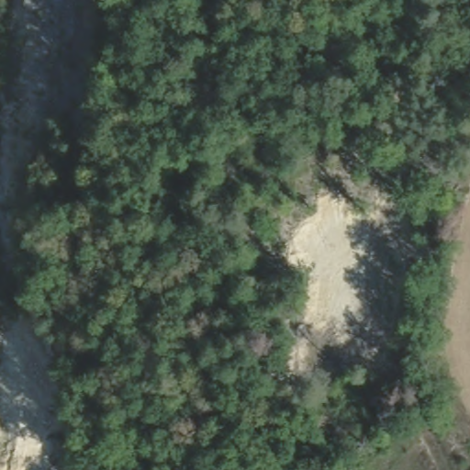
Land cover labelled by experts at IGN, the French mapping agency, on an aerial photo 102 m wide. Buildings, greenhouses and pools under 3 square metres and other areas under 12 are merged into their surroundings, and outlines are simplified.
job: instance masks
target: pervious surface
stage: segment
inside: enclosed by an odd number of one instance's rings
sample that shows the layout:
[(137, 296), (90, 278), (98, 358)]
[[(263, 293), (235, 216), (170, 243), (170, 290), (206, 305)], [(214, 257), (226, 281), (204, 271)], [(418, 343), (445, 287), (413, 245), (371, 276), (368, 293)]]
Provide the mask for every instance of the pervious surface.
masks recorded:
[(48, 455), (42, 452), (42, 444), (57, 431), (55, 424), (44, 419), (44, 402), (48, 400), (42, 397), (40, 389), (48, 347), (40, 341), (29, 341), (28, 330), (17, 321), (11, 325), (11, 330), (4, 334), (7, 345), (4, 345), (4, 362), (0, 364), (0, 470), (59, 470), (50, 463)]

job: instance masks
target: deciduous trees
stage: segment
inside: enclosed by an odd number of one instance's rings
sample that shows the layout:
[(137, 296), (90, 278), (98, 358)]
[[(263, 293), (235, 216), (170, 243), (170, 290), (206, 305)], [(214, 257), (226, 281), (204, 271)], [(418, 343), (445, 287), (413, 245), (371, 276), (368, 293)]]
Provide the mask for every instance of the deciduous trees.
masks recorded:
[[(450, 274), (452, 255), (453, 252), (464, 248), (463, 244), (457, 242), (457, 222), (461, 217), (457, 211), (461, 204), (466, 204), (470, 200), (470, 180), (466, 184), (457, 185), (457, 195), (446, 195), (446, 185), (442, 182), (441, 174), (433, 176), (428, 173), (428, 169), (419, 171), (415, 163), (404, 162), (404, 147), (398, 143), (404, 136), (408, 136), (409, 127), (406, 127), (406, 121), (411, 121), (411, 90), (419, 86), (419, 72), (411, 68), (415, 61), (419, 61), (424, 51), (424, 42), (433, 39), (430, 28), (420, 28), (422, 20), (430, 15), (430, 6), (422, 0), (88, 0), (86, 7), (94, 13), (90, 17), (92, 29), (79, 39), (79, 50), (83, 51), (79, 55), (79, 62), (86, 68), (86, 73), (83, 81), (79, 81), (75, 86), (75, 136), (81, 140), (81, 145), (84, 145), (79, 160), (79, 171), (75, 178), (77, 185), (81, 185), (81, 191), (77, 196), (83, 198), (84, 204), (64, 204), (59, 207), (57, 213), (44, 215), (42, 224), (35, 226), (33, 231), (24, 235), (22, 241), (17, 242), (17, 253), (29, 264), (29, 274), (33, 275), (28, 281), (28, 294), (17, 297), (17, 321), (28, 330), (29, 341), (40, 341), (48, 347), (40, 389), (42, 397), (48, 400), (44, 402), (44, 419), (55, 424), (57, 431), (66, 446), (68, 470), (378, 470), (376, 466), (387, 459), (391, 452), (408, 452), (406, 442), (413, 431), (435, 430), (439, 435), (450, 433), (453, 430), (455, 408), (461, 402), (459, 386), (450, 376), (450, 365), (444, 356), (444, 343), (450, 341), (452, 332), (446, 329), (444, 318), (448, 299), (455, 288), (455, 279)], [(279, 226), (286, 217), (292, 215), (292, 207), (296, 206), (296, 202), (290, 202), (275, 207), (270, 217), (263, 217), (257, 222), (257, 233), (248, 237), (252, 246), (248, 246), (246, 250), (237, 250), (235, 235), (229, 229), (213, 229), (211, 224), (202, 222), (193, 215), (191, 198), (195, 195), (196, 180), (215, 187), (211, 195), (204, 198), (204, 204), (217, 206), (218, 213), (226, 217), (233, 213), (237, 196), (242, 195), (242, 185), (252, 185), (253, 195), (261, 195), (263, 185), (275, 184), (286, 196), (294, 189), (281, 178), (281, 173), (283, 169), (292, 169), (294, 154), (299, 147), (305, 145), (308, 151), (316, 156), (318, 162), (325, 162), (329, 156), (338, 156), (343, 169), (351, 174), (352, 182), (371, 178), (371, 184), (375, 185), (380, 193), (386, 193), (387, 200), (393, 202), (400, 204), (398, 217), (402, 218), (402, 226), (406, 229), (408, 241), (413, 246), (413, 259), (406, 268), (402, 283), (408, 286), (408, 299), (417, 308), (417, 319), (408, 319), (404, 325), (398, 327), (400, 334), (411, 334), (408, 356), (402, 360), (406, 367), (406, 376), (398, 378), (386, 411), (378, 413), (378, 430), (382, 433), (376, 439), (367, 441), (362, 433), (362, 426), (356, 419), (356, 408), (345, 406), (347, 397), (343, 387), (347, 384), (364, 384), (365, 369), (356, 369), (352, 375), (330, 380), (329, 373), (319, 367), (318, 362), (310, 367), (307, 365), (307, 369), (301, 375), (294, 375), (288, 367), (285, 371), (268, 369), (270, 356), (259, 356), (253, 352), (253, 343), (259, 338), (274, 338), (275, 334), (283, 332), (283, 323), (279, 319), (268, 318), (264, 310), (274, 308), (285, 299), (283, 290), (279, 288), (279, 281), (296, 279), (299, 270), (296, 266), (286, 261), (286, 244), (281, 239)], [(141, 299), (140, 285), (143, 279), (136, 275), (140, 274), (143, 264), (151, 263), (151, 268), (158, 270), (163, 255), (171, 252), (176, 253), (176, 257), (182, 257), (185, 252), (195, 252), (200, 263), (198, 268), (185, 274), (182, 279), (176, 277), (173, 285), (163, 286), (162, 290), (152, 292), (147, 299)], [(207, 327), (200, 332), (200, 336), (187, 336), (185, 325), (189, 325), (198, 314), (206, 314)], [(185, 371), (193, 367), (196, 373), (195, 384), (191, 389), (184, 389), (174, 397), (163, 395), (162, 378), (158, 375), (160, 364), (171, 367), (174, 380), (182, 378)], [(191, 444), (174, 441), (173, 424), (178, 422), (193, 422)]]
[(466, 112), (470, 108), (470, 62), (463, 70), (450, 68), (444, 86), (435, 88), (435, 97), (446, 110)]

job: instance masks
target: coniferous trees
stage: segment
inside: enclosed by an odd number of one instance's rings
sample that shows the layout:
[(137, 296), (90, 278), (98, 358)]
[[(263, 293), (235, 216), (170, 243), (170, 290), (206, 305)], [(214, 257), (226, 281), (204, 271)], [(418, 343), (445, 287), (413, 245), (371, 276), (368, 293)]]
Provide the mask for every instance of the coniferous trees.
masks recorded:
[(242, 195), (237, 196), (233, 213), (226, 217), (218, 213), (217, 206), (204, 204), (204, 198), (211, 195), (215, 187), (196, 180), (195, 195), (191, 198), (193, 215), (202, 222), (211, 224), (213, 229), (229, 229), (235, 235), (237, 250), (246, 250), (248, 246), (252, 246), (248, 237), (257, 233), (257, 222), (263, 217), (270, 217), (275, 207), (290, 202), (286, 196), (275, 184), (263, 185), (261, 195), (253, 195), (252, 185), (242, 185)]
[(143, 279), (140, 285), (141, 299), (147, 299), (152, 292), (162, 290), (163, 286), (173, 285), (176, 277), (182, 279), (185, 274), (198, 268), (200, 263), (195, 252), (185, 252), (182, 257), (176, 257), (176, 253), (171, 252), (163, 255), (158, 270), (151, 268), (151, 263), (143, 264), (140, 274), (136, 275)]
[(419, 61), (415, 61), (411, 68), (419, 72), (419, 86), (411, 90), (411, 121), (406, 121), (406, 127), (409, 127), (408, 136), (404, 136), (398, 143), (404, 147), (404, 162), (415, 163), (419, 171), (428, 169), (428, 173), (433, 176), (441, 174), (442, 182), (446, 185), (446, 195), (457, 195), (457, 185), (466, 184), (470, 180), (470, 108), (466, 112), (446, 110), (435, 97), (435, 88), (444, 86), (450, 68), (463, 70), (470, 62), (470, 0), (422, 0), (430, 6), (430, 15), (422, 20), (420, 28), (430, 28), (433, 39), (424, 42), (424, 51)]
[(193, 422), (178, 422), (173, 424), (174, 441), (191, 444)]
[(182, 378), (174, 380), (171, 367), (160, 364), (158, 375), (162, 378), (163, 395), (174, 397), (184, 389), (191, 389), (195, 384), (196, 373), (193, 367), (185, 371)]
[(206, 314), (198, 314), (189, 325), (185, 325), (187, 336), (200, 336), (200, 332), (207, 327)]

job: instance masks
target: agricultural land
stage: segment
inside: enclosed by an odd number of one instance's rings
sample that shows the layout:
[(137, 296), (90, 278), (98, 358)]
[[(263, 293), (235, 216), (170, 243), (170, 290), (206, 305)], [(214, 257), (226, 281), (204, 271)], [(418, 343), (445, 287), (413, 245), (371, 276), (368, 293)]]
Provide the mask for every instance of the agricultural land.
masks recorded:
[(450, 274), (455, 279), (455, 288), (448, 299), (444, 318), (446, 329), (452, 332), (450, 341), (444, 343), (444, 356), (450, 365), (450, 376), (459, 386), (461, 402), (470, 397), (470, 200), (466, 204), (461, 204), (457, 211), (461, 217), (457, 222), (457, 242), (463, 244), (464, 248), (453, 252), (452, 255)]

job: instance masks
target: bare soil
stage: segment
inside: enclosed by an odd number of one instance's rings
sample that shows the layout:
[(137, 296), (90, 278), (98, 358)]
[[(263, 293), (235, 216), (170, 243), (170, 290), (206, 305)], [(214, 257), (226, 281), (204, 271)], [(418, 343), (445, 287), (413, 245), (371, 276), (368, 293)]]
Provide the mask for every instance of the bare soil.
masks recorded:
[(319, 367), (329, 373), (330, 380), (352, 375), (356, 369), (365, 369), (384, 367), (391, 360), (395, 360), (386, 349), (386, 338), (391, 321), (398, 314), (398, 290), (402, 283), (406, 268), (413, 259), (413, 246), (408, 241), (406, 229), (402, 226), (402, 218), (398, 217), (400, 204), (393, 202), (393, 207), (384, 211), (386, 220), (375, 224), (373, 220), (360, 220), (360, 215), (352, 213), (352, 207), (343, 198), (334, 198), (330, 193), (327, 196), (318, 196), (316, 213), (299, 224), (294, 239), (286, 244), (286, 261), (296, 266), (316, 264), (316, 268), (308, 275), (305, 321), (316, 330), (325, 330), (327, 327), (334, 329), (336, 341), (340, 343), (325, 345), (318, 354), (318, 362)]

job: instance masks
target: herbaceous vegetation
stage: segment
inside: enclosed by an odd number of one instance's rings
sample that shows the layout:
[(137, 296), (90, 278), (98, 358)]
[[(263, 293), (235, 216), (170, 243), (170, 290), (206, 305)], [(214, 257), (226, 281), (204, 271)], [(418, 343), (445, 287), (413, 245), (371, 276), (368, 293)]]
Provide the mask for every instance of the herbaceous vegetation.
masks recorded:
[(279, 226), (281, 239), (286, 244), (294, 239), (299, 224), (316, 213), (318, 196), (327, 196), (330, 193), (334, 198), (343, 198), (352, 207), (352, 213), (360, 215), (360, 220), (373, 220), (375, 224), (386, 220), (384, 211), (393, 207), (393, 202), (387, 200), (386, 193), (380, 193), (375, 185), (371, 184), (371, 178), (352, 182), (351, 174), (343, 169), (338, 156), (329, 156), (325, 162), (318, 162), (316, 156), (308, 151), (305, 145), (299, 147), (294, 154), (292, 169), (283, 169), (281, 173), (281, 178), (294, 189), (286, 196), (290, 202), (296, 202), (296, 206), (292, 207), (292, 215), (286, 217)]
[(308, 275), (316, 268), (316, 264), (296, 266), (299, 270), (296, 279), (279, 281), (279, 288), (283, 290), (285, 299), (274, 308), (264, 310), (268, 318), (279, 319), (283, 323), (283, 332), (275, 334), (274, 338), (259, 338), (253, 343), (253, 352), (259, 356), (270, 356), (268, 369), (285, 371), (288, 367), (294, 375), (301, 375), (307, 369), (307, 365), (310, 367), (318, 362), (318, 354), (325, 345), (340, 343), (336, 341), (334, 329), (327, 327), (325, 330), (316, 330), (305, 321)]
[(84, 145), (81, 145), (81, 140), (75, 136), (75, 86), (79, 81), (83, 81), (86, 73), (86, 68), (79, 62), (79, 55), (83, 51), (79, 50), (79, 39), (92, 29), (90, 17), (94, 13), (86, 7), (88, 0), (0, 0), (0, 364), (4, 362), (4, 345), (7, 345), (4, 334), (11, 330), (11, 325), (17, 321), (17, 297), (28, 294), (28, 281), (33, 275), (29, 274), (29, 264), (17, 253), (17, 242), (22, 241), (24, 235), (33, 231), (35, 226), (42, 224), (44, 215), (57, 213), (59, 207), (64, 204), (84, 204), (83, 198), (77, 196), (81, 191), (81, 185), (77, 185), (75, 178), (79, 171), (79, 160)]
[(57, 431), (42, 444), (42, 452), (48, 455), (50, 463), (59, 470), (68, 470), (66, 446)]
[(470, 397), (461, 402), (455, 408), (453, 430), (450, 433), (439, 435), (435, 430), (413, 431), (406, 442), (408, 452), (391, 452), (387, 459), (376, 466), (378, 470), (470, 470)]
[(391, 360), (384, 367), (365, 369), (364, 384), (347, 384), (343, 387), (347, 397), (345, 406), (356, 408), (356, 419), (362, 426), (362, 433), (367, 441), (376, 439), (382, 433), (378, 430), (378, 413), (386, 411), (398, 378), (406, 376), (406, 367), (402, 360), (408, 356), (411, 334), (400, 334), (398, 327), (404, 325), (408, 319), (417, 319), (417, 308), (408, 299), (408, 286), (402, 283), (398, 290), (398, 314), (391, 321), (386, 338), (386, 349), (395, 360)]

